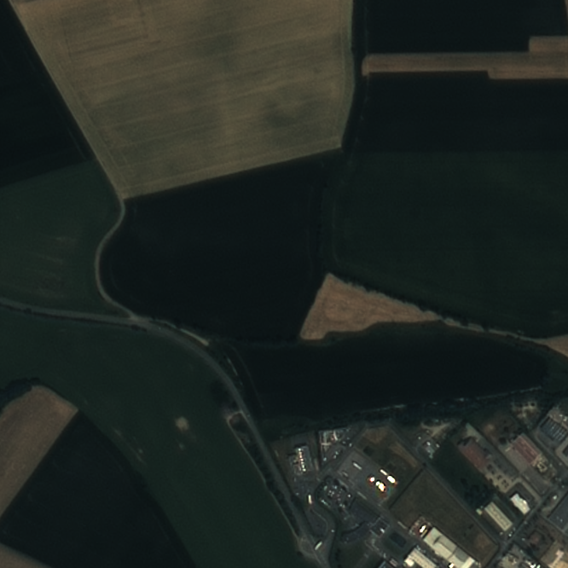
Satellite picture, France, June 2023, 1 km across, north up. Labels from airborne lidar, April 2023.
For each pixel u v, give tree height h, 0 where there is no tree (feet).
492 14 0
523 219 0
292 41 0
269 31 0
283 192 0
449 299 0
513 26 0
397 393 0
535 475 0
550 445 0
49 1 0
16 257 0
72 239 0
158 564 0
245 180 0
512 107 0
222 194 0
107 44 0
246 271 0
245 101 0
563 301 0
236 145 0
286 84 0
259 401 0
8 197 0
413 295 0
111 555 0
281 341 47
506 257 0
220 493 0
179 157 0
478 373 0
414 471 0
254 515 0
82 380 0
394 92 0
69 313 0
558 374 0
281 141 0
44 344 0
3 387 0
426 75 0
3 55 0
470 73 0
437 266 0
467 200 0
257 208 0
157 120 0
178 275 0
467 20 0
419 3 0
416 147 0
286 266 0
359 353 0
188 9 0
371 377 0
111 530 0
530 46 0
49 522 0
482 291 0
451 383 0
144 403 0
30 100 0
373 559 0
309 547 0
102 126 0
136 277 0
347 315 0
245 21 0
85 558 0
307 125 0
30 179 0
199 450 0
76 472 0
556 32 0
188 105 0
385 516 0
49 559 0
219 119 0
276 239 0
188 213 0
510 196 0
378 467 0
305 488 0
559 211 0
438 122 0
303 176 0
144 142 0
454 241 0
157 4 0
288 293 0
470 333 0
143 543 0
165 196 0
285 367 0
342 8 0
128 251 0
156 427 0
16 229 0
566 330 0
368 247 0
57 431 0
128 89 0
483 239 0
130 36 0
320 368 0
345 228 0
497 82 0
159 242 0
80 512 0
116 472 0
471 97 0
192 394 0
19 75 0
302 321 0
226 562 0
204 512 0
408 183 0
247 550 0
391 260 0
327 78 0
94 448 0
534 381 0
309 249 0
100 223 0
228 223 0
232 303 0
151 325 0
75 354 0
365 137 0
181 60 0
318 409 0
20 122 0
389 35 0
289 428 0
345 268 0
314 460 0
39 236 0
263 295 0
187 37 0
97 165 0
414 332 0
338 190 0
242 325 0
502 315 0
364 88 0
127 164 0
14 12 0
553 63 0
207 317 0
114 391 0
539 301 0
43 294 0
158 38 0
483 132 0
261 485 0
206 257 0
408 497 0
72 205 0
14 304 0
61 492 0
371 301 0
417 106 0
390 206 0
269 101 0
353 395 0
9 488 0
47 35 0
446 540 0
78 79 0
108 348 0
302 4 0
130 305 0
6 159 0
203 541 0
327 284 0
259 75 0
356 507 0
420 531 0
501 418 0
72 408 0
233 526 0
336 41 0
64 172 0
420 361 0
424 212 0
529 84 0
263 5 0
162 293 0
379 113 0
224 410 0
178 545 0
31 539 0
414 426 0
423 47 0
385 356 0
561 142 0
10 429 0
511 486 0
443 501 0
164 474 0
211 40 0
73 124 0
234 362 0
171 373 0
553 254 0
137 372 0
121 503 0
